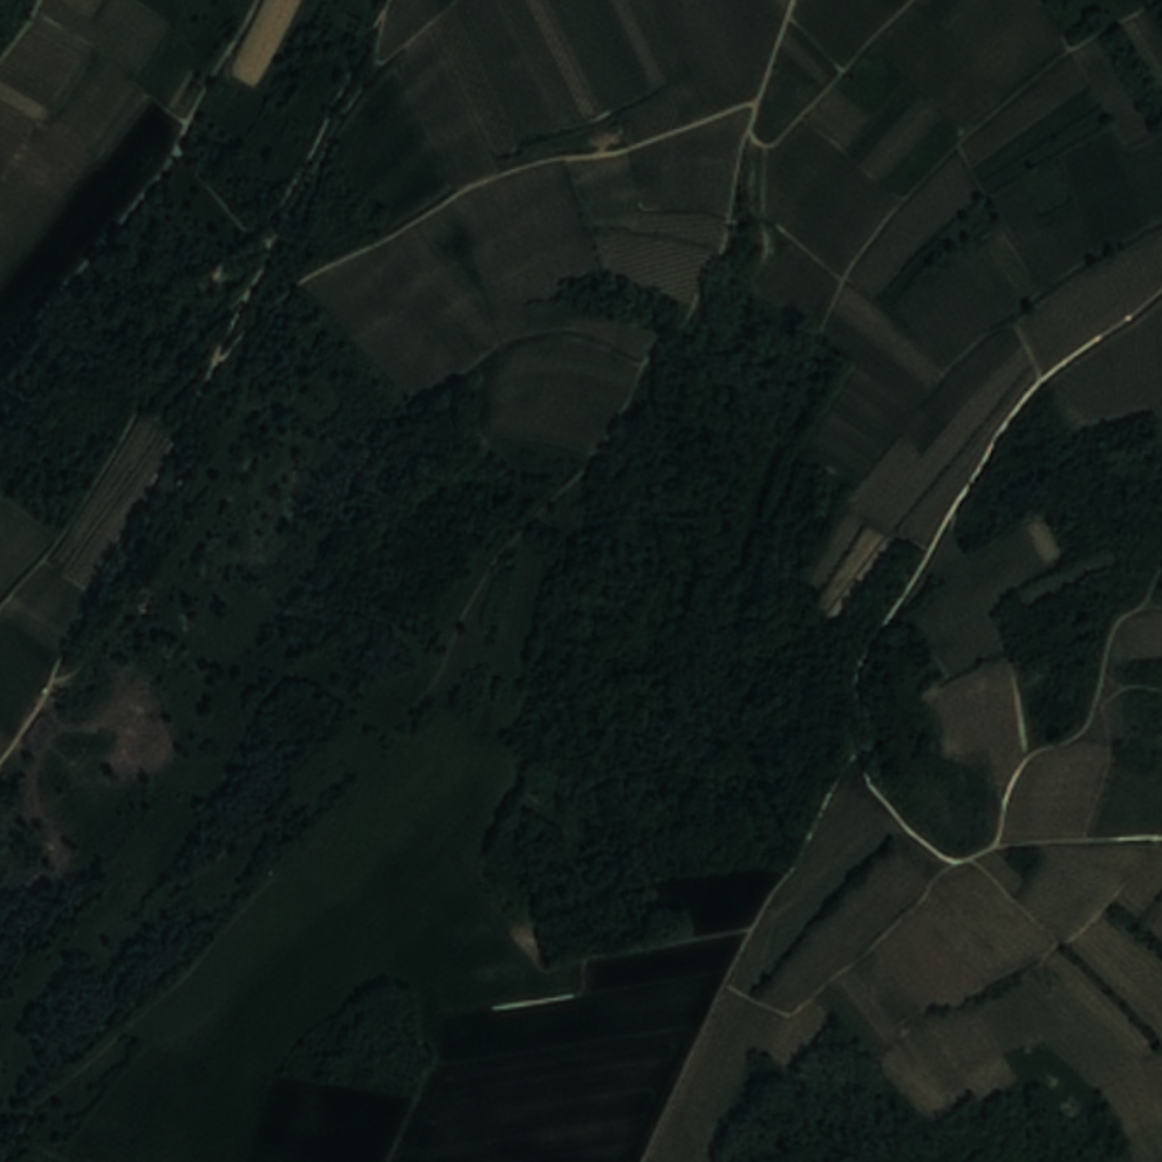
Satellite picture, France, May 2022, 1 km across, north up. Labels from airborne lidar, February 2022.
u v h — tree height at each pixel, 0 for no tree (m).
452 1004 0
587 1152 0
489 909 0
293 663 8
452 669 0
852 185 0
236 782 9
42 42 0
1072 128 0
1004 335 0
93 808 0
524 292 0
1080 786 0
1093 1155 7
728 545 22
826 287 0
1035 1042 0
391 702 0
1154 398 0
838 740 18
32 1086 9
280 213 8
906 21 0
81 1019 16
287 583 0
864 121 0
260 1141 0
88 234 0
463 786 0
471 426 16
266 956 0
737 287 17
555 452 0
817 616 9
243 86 0
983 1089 0
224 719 0
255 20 0
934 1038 0
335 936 0
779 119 0
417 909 0
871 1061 15
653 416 14
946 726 0
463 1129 0
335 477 16
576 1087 0
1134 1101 0
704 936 0
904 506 0
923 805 0
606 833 8
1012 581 0
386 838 0
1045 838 0
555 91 0
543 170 0
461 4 0
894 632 6
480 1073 0
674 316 10
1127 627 0
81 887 15
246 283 8
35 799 0
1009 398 0
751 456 21
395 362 0
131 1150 0
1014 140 0
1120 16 0
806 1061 16
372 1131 0
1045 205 0
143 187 0
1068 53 0
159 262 12
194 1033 0
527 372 0
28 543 0
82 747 0
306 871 0
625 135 0
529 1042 0
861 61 0
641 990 0
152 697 0
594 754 21
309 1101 0
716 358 21
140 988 15
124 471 0
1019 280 0
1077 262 0
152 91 0
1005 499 12
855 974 0
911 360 0
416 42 0
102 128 0
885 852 9
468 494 9
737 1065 0
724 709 25
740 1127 21
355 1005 12
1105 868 0
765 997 8
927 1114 0
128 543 13
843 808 0
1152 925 0
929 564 0
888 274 0
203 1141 0
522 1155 0
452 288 0
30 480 6
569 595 16
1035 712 6
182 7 0
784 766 22
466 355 0
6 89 0
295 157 0
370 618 10
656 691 17
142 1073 0
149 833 0
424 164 0
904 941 0
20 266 0
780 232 0
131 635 11
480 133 0
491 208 0
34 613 0
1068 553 7
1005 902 0
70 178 0
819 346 19
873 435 0
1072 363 0
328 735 8
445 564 9
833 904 9
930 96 0
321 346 7
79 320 17
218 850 10
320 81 0
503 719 0
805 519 11
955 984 0
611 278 8
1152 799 0
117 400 7
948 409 0
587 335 0
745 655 21
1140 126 0
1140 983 0
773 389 24
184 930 12
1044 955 0
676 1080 0
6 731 0
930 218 0
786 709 15
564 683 15
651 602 17
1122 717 0
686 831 22
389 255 0
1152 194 0
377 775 0
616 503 15
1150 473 13
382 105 0
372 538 17
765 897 0
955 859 0
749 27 0
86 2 0
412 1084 13
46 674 0
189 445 8
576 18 0
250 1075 0
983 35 0
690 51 0
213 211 0
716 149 0
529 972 0
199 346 9
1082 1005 0
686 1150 0
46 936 10
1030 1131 9
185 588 0
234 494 0
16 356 23
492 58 0
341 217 6
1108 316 0
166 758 0
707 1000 0
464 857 0
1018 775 0
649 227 0
